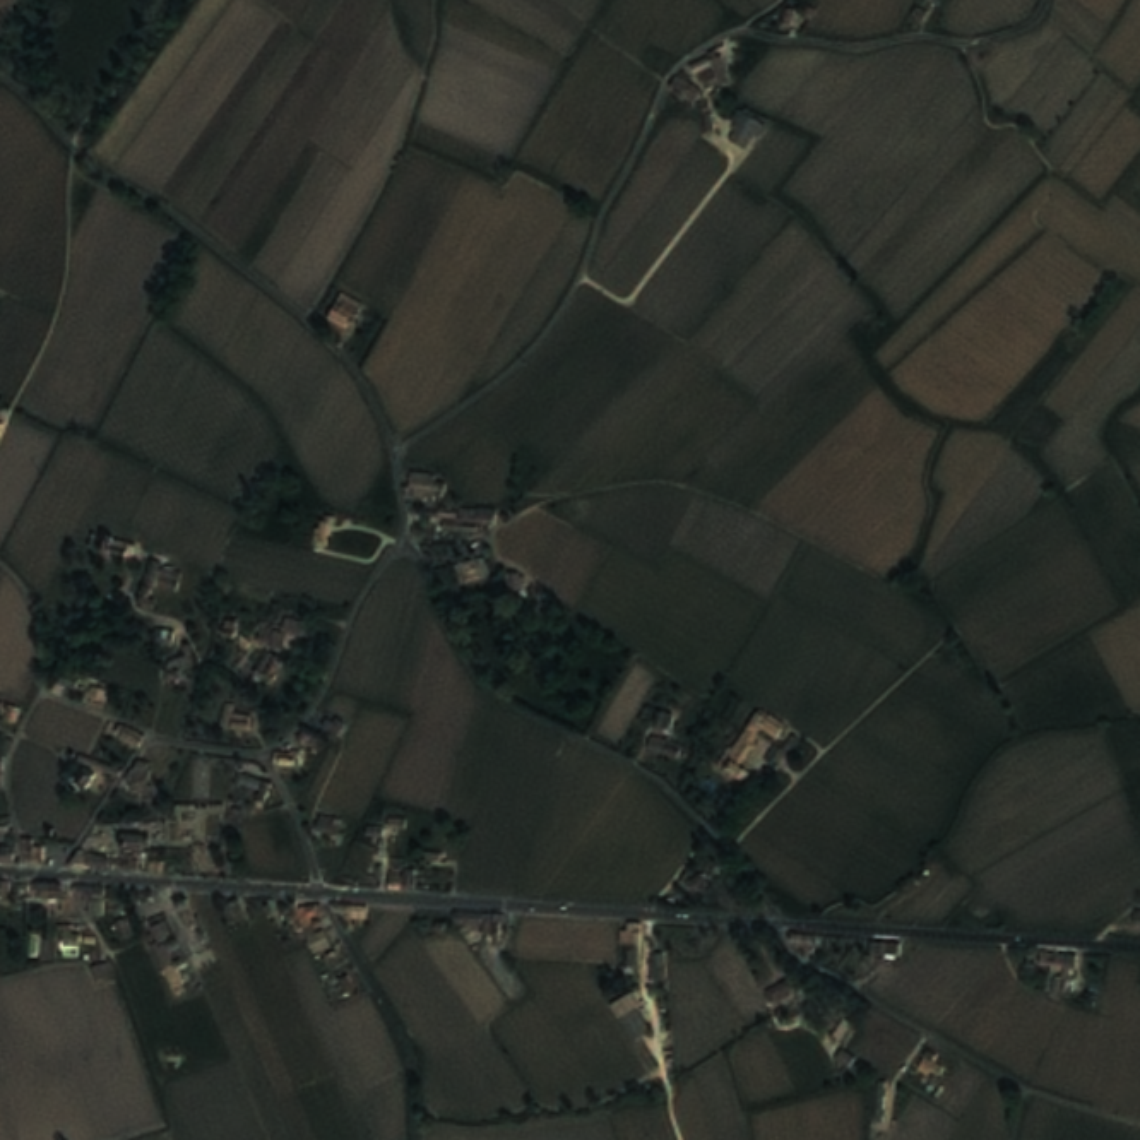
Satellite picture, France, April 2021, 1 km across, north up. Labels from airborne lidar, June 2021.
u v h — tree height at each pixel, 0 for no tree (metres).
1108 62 0
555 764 0
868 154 0
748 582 0
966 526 0
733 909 19
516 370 0
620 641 13
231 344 0
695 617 0
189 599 0
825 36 0
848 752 0
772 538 0
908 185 0
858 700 0
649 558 0
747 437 0
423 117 0
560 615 22
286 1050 0
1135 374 0
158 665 6
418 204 0
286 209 0
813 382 0
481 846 0
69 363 0
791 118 0
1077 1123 0
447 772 0
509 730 0
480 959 0
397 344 0
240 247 0
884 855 0
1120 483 0
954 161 0
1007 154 0
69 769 13
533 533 0
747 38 0
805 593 0
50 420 0
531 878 0
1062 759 0
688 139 0
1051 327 0
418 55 0
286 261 0
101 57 0
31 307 0
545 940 0
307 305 0
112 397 0
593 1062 0
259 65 0
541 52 0
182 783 0
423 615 0
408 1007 0
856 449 0
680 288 0
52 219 0
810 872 0
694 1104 0
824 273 0
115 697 11
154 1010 0
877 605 0
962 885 0
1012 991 0
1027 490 0
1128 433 0
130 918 8
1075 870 0
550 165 0
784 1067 0
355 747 0
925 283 0
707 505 0
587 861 0
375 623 0
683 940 0
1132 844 0
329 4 0
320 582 0
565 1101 0
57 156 0
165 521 0
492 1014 0
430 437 0
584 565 0
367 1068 0
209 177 0
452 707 0
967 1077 0
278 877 0
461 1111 0
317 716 0
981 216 0
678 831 0
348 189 0
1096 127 0
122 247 0
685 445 0
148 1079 0
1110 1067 0
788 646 0
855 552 0
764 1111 0
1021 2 0
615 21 0
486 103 0
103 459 0
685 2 0
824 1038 14
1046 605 0
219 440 0
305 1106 0
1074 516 0
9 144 0
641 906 0
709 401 0
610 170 0
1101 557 0
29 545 0
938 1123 0
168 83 0
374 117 0
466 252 0
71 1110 0
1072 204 0
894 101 0
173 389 0
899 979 0
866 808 0
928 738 0
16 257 0
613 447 0
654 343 0
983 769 0
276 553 0
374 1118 0
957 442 0
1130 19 0
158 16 23
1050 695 0
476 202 0
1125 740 0
